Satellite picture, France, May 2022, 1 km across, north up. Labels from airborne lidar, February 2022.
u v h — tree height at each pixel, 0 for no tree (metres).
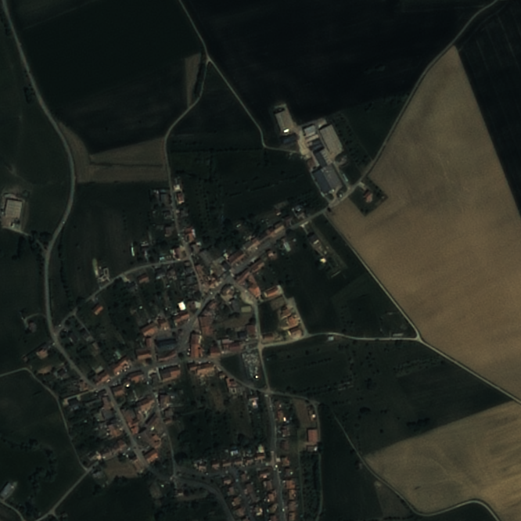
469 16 0
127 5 0
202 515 0
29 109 0
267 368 0
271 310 0
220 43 0
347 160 0
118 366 0
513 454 0
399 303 0
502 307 0
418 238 0
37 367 0
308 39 0
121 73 0
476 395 0
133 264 6
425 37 0
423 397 0
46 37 0
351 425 0
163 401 0
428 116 0
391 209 0
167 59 0
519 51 0
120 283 11
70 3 0
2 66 0
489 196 0
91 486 0
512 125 0
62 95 0
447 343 0
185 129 0
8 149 0
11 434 0
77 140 0
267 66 0
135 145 0
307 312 0
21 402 0
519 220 0
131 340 0
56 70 0
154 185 0
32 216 0
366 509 0
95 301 0
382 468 0
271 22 0
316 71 0
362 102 0
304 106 0
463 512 0
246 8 0
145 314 0
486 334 0
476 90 0
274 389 0
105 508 0
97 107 0
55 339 0
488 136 0
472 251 0
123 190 0
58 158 0
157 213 0
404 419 0
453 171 0
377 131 0
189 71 0
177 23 0
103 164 0
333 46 0
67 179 0
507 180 0
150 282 0
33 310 0
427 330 0
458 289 0
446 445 0
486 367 0
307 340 0
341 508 0
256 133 0
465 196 0
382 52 0
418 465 0
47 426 0
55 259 0
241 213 0
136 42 0
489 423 0
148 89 0
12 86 0
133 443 0
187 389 0
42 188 0
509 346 0
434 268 0
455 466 0
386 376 0
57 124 0
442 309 0
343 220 0
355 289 0
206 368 0
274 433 0
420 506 0
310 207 7
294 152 0
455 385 0
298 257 0
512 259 0
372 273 0
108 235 0
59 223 0
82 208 0
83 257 0
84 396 0
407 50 0
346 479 0
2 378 0
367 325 0
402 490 0
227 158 0
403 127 0
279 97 0
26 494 0
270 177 0
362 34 0
